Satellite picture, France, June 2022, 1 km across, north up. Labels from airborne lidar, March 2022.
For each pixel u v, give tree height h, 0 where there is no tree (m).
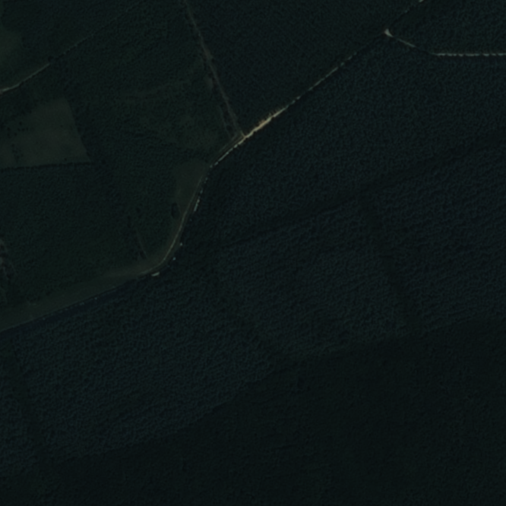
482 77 19
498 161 26
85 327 23
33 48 11
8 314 0
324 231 14
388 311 23
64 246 6
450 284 22
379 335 23
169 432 15
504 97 20
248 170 12
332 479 21
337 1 18
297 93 10
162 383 20
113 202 15
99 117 7
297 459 21
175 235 0
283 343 15
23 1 7
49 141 0
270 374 19
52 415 22
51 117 0
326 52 18
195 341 22
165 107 5
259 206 21
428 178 26
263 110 14
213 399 23
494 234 23
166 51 10
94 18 14
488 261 19
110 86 6
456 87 17
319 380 14
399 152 17
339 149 22
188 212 0
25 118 0
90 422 21
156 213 7
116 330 22
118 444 24
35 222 10
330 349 17
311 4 17
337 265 22
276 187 20
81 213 9
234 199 18
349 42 15
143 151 8
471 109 20
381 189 21
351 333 24
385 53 16
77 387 17
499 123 20
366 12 19
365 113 21
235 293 16
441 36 18
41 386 24
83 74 6
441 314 20
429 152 26
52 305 0
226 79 19
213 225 14
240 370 24
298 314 22
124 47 9
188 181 0
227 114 16
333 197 17
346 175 21
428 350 16
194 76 7
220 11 16
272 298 23
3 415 21
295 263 15
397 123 23
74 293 0
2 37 0
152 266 0
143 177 7
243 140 0
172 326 22
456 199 25
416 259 18
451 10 11
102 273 0
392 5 18
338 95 16
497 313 23
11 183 11
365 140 18
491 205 24
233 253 20
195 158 7
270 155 21
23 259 8
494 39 13
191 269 22
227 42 12
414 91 23
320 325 12
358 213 23
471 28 15
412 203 22
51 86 0
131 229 14
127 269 0
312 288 24
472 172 24
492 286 25
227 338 19
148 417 18
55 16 11
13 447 18
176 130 7
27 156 0
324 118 18
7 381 18
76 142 0
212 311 21
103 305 24
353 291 21
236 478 16
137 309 21
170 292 18
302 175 25
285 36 15
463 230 22
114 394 18
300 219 25
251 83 16
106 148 9
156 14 6
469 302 25
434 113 23
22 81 0
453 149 18
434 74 18
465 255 19
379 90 16
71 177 12
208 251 16
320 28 15
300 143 18
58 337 19
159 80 5
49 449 17
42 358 23
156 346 20
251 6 16
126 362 21
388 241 22
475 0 17
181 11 15
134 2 9
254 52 18
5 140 0
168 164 7
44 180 8
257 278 22
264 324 23
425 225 21
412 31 18
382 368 17
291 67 14
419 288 24
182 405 19
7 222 11
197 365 22
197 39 19
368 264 21
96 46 8
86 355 21
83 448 16
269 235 19
